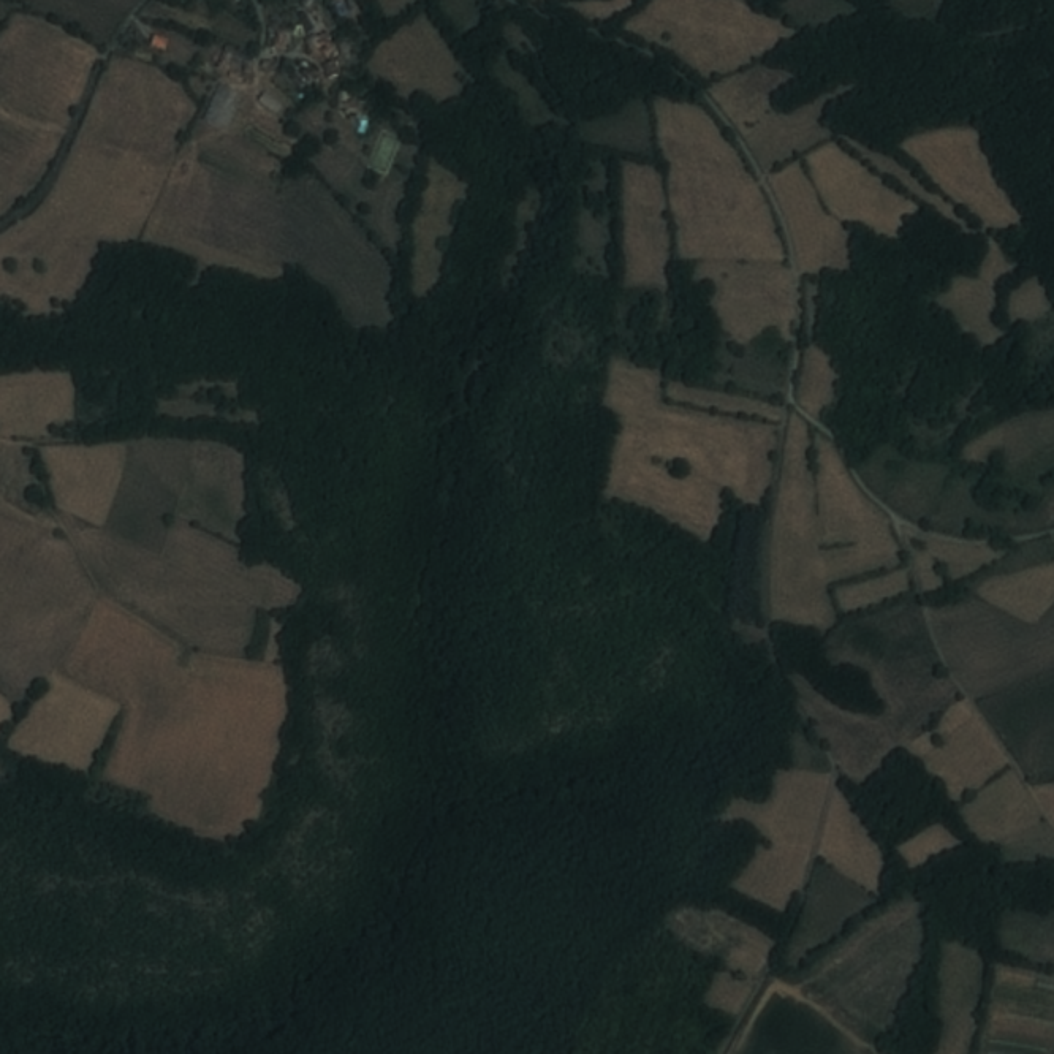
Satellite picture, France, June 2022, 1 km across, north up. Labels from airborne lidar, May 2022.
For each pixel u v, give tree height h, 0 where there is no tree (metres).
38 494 12
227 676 0
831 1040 0
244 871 6
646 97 12
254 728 0
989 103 13
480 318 20
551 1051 16
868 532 0
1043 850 0
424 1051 12
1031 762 0
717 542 13
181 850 12
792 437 0
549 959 8
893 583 0
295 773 13
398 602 11
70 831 11
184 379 11
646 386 0
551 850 14
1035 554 0
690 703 13
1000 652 0
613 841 21
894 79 13
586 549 13
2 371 14
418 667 12
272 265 0
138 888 7
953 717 0
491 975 8
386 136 0
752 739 17
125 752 0
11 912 6
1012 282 17
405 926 21
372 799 9
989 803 0
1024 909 17
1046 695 0
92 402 8
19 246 0
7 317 11
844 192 0
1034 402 17
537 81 14
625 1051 15
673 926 0
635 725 13
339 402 14
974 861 15
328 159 0
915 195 8
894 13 14
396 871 16
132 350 14
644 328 13
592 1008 17
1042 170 14
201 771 0
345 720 6
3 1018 23
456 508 23
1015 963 9
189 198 0
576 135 10
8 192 0
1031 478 0
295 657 14
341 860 8
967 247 21
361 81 9
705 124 0
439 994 17
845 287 10
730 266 0
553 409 10
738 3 0
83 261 0
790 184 0
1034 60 10
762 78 0
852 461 11
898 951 0
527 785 21
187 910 7
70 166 0
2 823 11
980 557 0
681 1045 16
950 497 0
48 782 16
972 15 11
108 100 0
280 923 7
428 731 15
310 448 16
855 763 0
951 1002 0
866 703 14
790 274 0
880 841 20
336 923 13
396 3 0
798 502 0
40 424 0
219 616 0
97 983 6
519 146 26
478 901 10
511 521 11
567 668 6
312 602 10
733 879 12
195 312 14
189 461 0
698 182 0
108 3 0
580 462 9
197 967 6
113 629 0
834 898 0
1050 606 0
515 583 10
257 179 0
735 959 0
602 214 11
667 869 11
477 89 17
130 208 0
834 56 14
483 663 11
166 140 0
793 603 0
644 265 0
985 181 0
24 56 0
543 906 8
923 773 18
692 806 10
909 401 15
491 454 6
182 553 0
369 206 9
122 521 0
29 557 0
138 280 16
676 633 7
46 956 7
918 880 13
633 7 11
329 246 0
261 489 7
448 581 10
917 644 0
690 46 0
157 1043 20
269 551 12
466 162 15
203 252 0
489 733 6
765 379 0
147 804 9
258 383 12
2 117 0
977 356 16
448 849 21
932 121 10
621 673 14
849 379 10
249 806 0
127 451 0
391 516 13
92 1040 21
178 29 11
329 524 10
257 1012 24
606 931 13
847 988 0
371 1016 13
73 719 0
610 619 7
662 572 12
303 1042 18
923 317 18
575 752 15
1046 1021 0
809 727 7
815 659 13
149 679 0
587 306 11
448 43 9
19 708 11
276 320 17
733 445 0
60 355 15
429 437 13
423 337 18
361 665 8
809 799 0
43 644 0
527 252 7
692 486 0
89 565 0
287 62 15
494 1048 13
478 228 17
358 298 0
